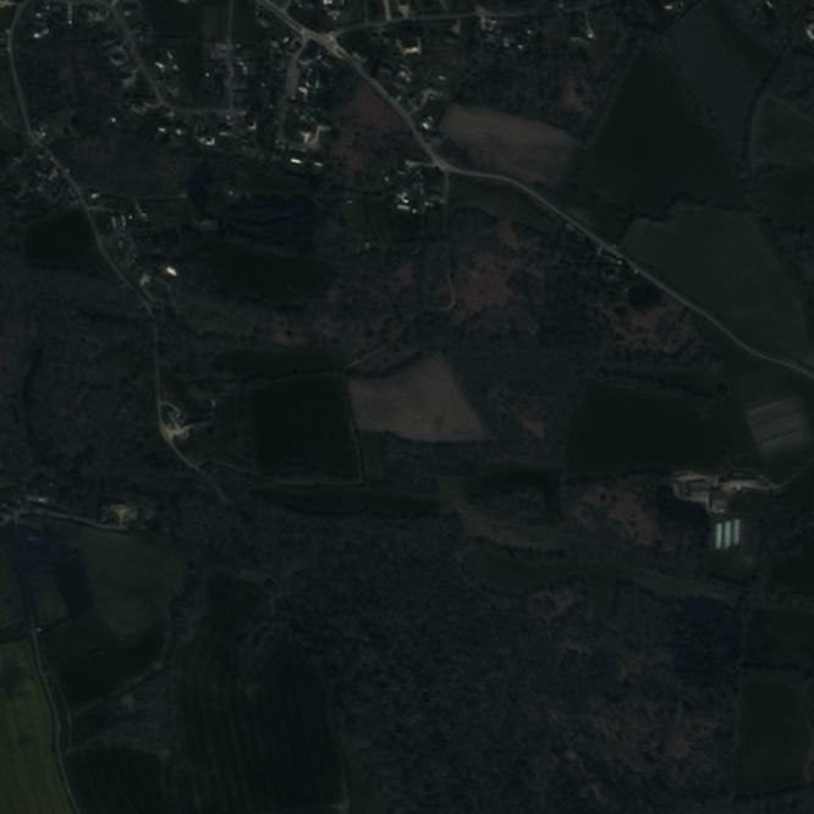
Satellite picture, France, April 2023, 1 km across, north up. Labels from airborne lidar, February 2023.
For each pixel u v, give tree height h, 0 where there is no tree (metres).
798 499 0
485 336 9
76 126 12
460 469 6
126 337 8
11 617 0
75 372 7
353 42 0
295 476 8
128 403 7
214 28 0
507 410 8
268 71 6
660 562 13
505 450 11
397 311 8
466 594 15
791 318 0
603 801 16
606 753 17
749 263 0
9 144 0
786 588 0
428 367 0
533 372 7
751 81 0
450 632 18
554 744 20
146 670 0
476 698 21
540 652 18
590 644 9
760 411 0
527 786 20
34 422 15
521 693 17
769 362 0
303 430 0
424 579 16
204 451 0
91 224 0
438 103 0
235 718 0
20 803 0
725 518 0
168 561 0
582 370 10
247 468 8
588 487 14
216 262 0
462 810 22
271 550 23
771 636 0
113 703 8
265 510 20
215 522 27
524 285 18
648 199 0
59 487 7
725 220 0
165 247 11
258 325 8
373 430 0
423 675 20
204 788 0
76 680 0
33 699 0
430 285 10
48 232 0
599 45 0
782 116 0
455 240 10
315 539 23
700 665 24
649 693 13
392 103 0
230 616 0
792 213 0
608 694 14
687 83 7
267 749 0
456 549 17
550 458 12
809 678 10
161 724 9
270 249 8
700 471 0
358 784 0
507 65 14
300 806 0
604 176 0
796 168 0
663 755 11
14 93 11
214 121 8
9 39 0
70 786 0
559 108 15
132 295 10
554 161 0
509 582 0
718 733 6
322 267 0
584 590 9
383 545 20
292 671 0
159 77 0
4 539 0
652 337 0
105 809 0
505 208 0
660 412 0
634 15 7
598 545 12
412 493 8
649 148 0
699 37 0
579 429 0
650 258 0
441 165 0
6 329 21
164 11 0
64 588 0
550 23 16
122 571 0
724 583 10
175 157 7
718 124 7
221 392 6
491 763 21
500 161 0
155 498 0
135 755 0
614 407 0
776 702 0
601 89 15
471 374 7
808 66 12
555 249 10
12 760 0
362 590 20
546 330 23
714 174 0
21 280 14
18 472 19
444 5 0
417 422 0
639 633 13
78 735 0
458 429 0
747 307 0
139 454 14
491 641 18
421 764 26
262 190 0
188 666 0
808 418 0
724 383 0
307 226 22
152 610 0
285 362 0
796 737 0
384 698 23
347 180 6
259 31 0
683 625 29
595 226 0
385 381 8
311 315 10
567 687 15
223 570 11
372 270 8
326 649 23
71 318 14
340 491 0
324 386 0
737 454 0
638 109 0
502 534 0
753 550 0
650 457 0
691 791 10
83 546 0
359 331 9
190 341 19
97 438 18
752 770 0
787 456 0
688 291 0
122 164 0
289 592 21
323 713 0
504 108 10
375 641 27
